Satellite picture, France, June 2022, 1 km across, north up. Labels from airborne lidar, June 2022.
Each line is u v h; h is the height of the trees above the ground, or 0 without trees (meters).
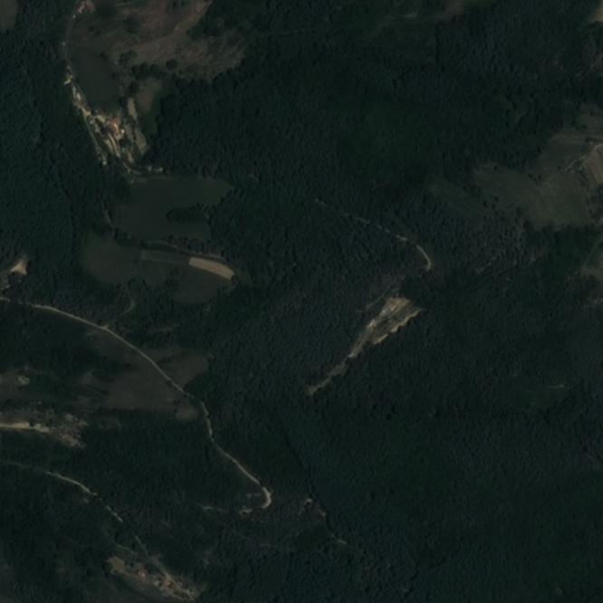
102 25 0
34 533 11
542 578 21
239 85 21
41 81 19
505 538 21
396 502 22
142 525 16
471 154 15
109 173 20
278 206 14
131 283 10
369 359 20
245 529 12
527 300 8
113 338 0
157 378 0
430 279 15
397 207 12
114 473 12
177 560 9
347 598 28
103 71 0
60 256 29
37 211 30
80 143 23
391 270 16
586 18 18
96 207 18
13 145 31
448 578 35
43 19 20
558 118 6
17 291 9
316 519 14
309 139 21
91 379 0
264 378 17
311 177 18
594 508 17
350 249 21
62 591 16
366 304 11
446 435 21
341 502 32
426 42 7
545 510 22
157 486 17
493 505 23
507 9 24
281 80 15
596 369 16
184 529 6
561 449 19
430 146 18
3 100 25
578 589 16
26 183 28
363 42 8
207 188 0
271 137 21
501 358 18
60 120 18
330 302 16
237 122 21
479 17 19
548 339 22
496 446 21
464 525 23
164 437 14
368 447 22
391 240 12
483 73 23
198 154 23
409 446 21
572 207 0
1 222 27
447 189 0
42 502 14
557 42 13
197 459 9
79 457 11
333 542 11
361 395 23
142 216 0
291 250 16
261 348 18
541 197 0
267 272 12
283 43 28
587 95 23
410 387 17
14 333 9
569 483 16
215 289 0
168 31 0
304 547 11
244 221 19
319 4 27
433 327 20
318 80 16
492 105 17
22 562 19
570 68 10
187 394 10
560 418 28
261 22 17
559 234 14
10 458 7
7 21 0
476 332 20
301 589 35
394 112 19
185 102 31
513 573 27
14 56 25
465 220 17
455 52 14
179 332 10
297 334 20
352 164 20
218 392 14
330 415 26
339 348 21
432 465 21
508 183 0
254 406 17
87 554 11
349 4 11
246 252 16
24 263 0
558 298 13
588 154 0
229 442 7
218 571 12
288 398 20
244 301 12
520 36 12
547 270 10
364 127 16
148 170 9
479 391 25
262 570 30
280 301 16
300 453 29
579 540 19
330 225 15
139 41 0
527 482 23
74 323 0
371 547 27
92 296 17
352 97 16
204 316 13
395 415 23
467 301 18
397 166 21
